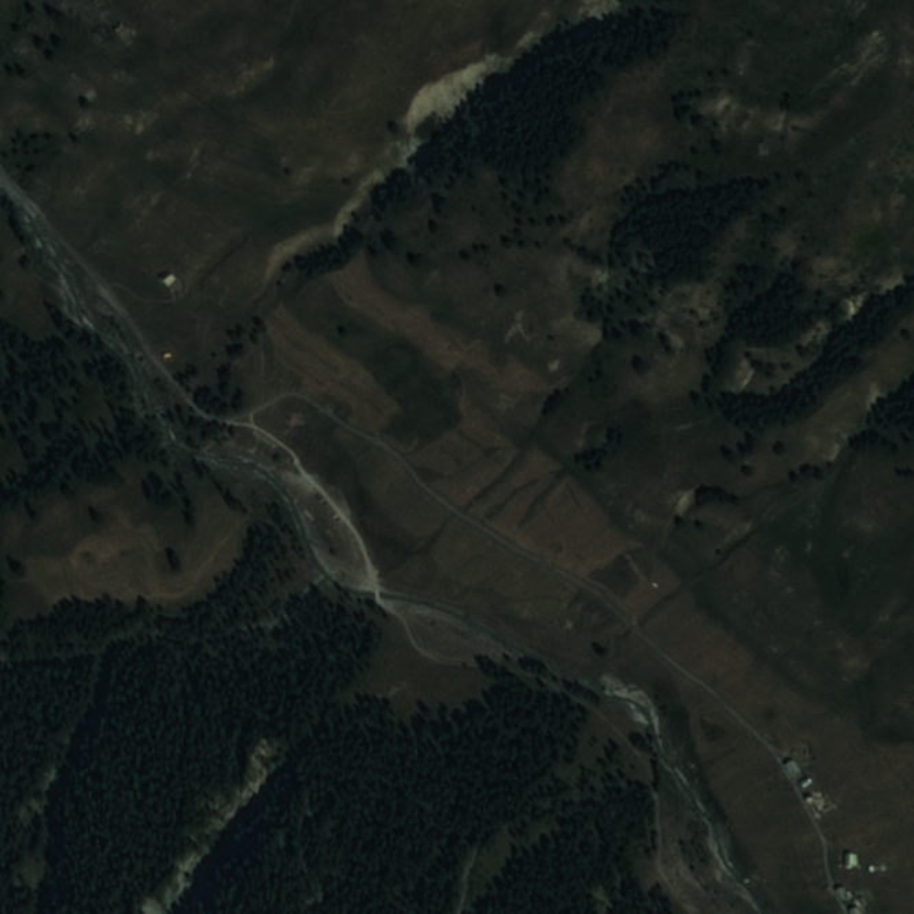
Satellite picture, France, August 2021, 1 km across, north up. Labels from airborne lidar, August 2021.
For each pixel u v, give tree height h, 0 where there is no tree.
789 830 0
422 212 0
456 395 0
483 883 0
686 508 0
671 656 0
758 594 0
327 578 0
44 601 0
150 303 0
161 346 0
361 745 19
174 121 0
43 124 0
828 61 0
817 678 0
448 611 0
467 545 0
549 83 26
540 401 0
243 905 11
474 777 24
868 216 0
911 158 0
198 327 0
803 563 0
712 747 0
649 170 0
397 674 0
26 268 20
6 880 19
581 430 0
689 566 0
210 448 0
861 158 0
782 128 0
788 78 0
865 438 12
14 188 0
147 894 16
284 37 0
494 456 0
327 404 0
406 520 0
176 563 22
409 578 0
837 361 21
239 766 6
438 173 19
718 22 0
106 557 0
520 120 23
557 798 14
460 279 0
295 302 0
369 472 0
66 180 0
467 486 0
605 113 0
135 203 0
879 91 0
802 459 0
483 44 0
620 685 0
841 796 0
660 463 0
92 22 0
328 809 18
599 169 0
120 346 0
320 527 0
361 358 0
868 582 0
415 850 21
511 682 20
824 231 0
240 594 14
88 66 0
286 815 17
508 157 19
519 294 0
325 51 0
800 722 0
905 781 0
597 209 0
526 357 0
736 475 0
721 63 0
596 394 0
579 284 0
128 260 0
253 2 0
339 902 13
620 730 0
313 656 23
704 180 14
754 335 19
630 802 20
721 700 0
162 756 19
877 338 20
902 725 0
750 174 0
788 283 16
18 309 0
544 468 0
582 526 0
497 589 0
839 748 0
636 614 0
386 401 0
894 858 0
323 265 15
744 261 0
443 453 0
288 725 23
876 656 0
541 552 0
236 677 20
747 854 0
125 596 0
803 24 0
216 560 0
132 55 0
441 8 0
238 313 0
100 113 0
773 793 0
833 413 0
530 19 0
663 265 18
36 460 21
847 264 0
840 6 0
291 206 0
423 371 0
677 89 0
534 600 0
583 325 0
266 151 0
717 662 0
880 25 0
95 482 27
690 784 0
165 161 0
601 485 0
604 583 0
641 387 0
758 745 0
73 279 0
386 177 0
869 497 0
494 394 0
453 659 0
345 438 0
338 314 0
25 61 0
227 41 0
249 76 0
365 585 0
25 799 19
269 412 0
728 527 0
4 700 20
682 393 0
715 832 0
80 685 25
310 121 0
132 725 18
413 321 0
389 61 0
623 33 21
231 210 0
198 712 19
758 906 0
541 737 16
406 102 0
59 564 0
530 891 22
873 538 0
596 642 0
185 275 0
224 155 0
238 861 13
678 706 0
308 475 0
